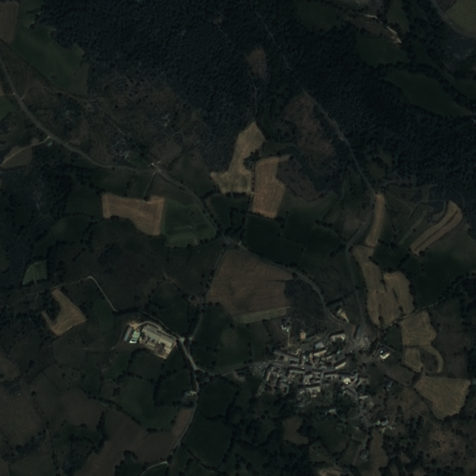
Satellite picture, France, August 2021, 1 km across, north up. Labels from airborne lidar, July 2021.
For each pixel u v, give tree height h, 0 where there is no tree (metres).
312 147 0
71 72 0
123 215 0
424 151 21
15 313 0
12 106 0
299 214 0
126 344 0
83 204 0
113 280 0
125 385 0
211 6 19
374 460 0
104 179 0
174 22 7
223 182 0
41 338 6
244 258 0
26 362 0
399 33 11
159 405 10
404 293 0
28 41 0
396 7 0
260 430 13
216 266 0
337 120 18
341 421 7
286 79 14
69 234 0
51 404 0
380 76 15
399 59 0
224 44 15
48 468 0
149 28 13
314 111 11
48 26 0
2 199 0
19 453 14
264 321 8
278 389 10
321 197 8
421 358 0
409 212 0
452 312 0
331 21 0
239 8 17
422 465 13
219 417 12
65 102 0
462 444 0
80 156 7
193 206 0
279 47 11
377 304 0
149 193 0
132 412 0
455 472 7
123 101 0
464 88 0
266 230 0
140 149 11
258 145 0
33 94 0
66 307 0
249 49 14
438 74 15
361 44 0
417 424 12
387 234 0
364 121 11
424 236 0
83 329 0
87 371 0
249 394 0
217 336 0
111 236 0
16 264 0
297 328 0
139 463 0
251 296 0
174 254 0
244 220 8
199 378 9
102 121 0
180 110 0
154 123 0
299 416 10
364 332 0
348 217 0
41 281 10
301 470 17
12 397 0
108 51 16
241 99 10
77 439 10
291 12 17
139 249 0
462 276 8
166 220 0
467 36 0
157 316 9
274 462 17
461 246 0
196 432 0
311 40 20
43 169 12
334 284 0
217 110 11
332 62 10
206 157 0
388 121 14
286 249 0
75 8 9
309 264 0
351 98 18
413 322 0
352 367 0
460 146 20
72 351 0
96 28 16
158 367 0
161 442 0
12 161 0
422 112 18
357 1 0
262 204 0
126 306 0
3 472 0
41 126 0
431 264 0
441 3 0
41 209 0
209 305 8
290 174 0
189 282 0
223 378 13
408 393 0
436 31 22
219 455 0
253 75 12
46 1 10
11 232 0
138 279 0
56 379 0
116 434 0
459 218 0
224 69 8
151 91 0
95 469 0
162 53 12
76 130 0
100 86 0
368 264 0
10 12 0
